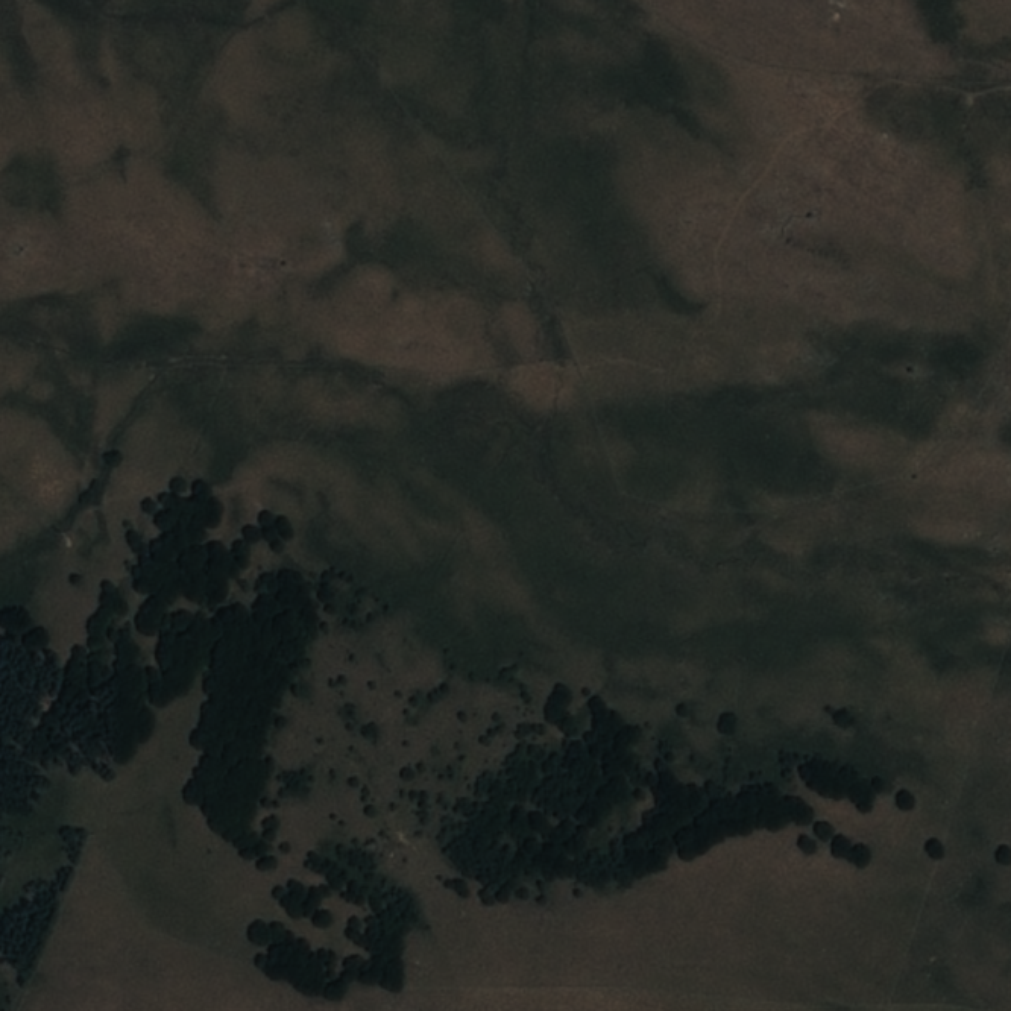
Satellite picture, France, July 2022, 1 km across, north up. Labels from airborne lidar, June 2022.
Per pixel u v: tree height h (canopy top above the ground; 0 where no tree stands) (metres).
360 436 0
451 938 0
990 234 0
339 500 0
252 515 0
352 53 0
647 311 0
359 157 0
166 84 0
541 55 0
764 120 0
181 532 17
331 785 0
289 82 0
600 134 0
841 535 0
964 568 0
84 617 0
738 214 0
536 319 0
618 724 13
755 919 0
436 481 0
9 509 0
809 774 15
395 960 13
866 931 0
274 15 0
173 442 0
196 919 0
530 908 0
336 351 0
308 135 0
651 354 0
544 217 0
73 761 21
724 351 0
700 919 0
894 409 0
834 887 0
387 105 0
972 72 0
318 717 0
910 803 13
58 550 0
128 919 0
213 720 15
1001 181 0
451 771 8
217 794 15
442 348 0
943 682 0
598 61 0
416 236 0
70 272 0
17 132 0
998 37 0
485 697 0
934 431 0
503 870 13
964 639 0
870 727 0
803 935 0
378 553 0
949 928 0
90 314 0
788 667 0
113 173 0
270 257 0
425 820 9
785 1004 0
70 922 0
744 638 0
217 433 0
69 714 18
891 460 0
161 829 0
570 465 0
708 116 0
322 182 0
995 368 0
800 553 0
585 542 0
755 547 0
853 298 0
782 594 0
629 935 0
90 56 0
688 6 0
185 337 0
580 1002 0
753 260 0
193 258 0
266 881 0
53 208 0
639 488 0
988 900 0
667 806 17
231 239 0
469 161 0
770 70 0
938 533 0
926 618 0
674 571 0
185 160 0
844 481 0
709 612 0
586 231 0
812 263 0
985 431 0
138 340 0
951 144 0
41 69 0
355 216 0
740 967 0
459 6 0
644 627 0
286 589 14
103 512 0
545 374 0
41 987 0
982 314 0
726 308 0
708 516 0
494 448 0
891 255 0
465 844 11
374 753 0
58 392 0
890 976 0
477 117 0
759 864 0
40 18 0
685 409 0
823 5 0
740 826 19
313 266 0
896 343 0
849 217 0
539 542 0
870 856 9
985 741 0
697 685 0
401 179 0
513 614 0
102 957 0
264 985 0
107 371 0
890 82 0
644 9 0
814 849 10
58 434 0
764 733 0
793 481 0
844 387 0
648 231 0
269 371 0
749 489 0
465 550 0
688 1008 0
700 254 0
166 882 0
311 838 0
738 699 0
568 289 0
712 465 0
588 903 0
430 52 0
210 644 7
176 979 0
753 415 0
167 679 15
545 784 11
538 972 0
